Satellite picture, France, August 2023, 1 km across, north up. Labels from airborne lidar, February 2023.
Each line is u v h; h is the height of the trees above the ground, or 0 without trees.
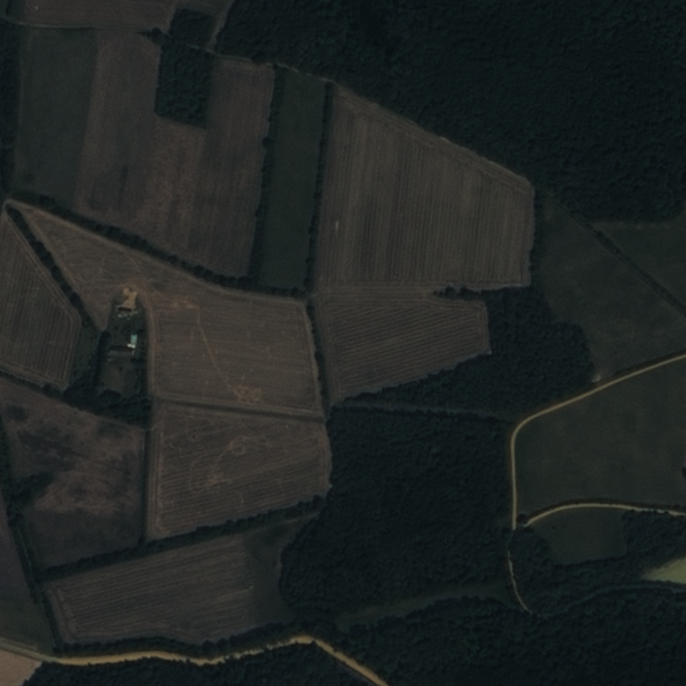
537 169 21
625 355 0
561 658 15
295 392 0
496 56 23
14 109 15
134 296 0
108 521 0
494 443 24
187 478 0
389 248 0
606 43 23
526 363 15
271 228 0
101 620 0
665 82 26
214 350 0
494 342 11
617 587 13
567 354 18
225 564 0
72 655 16
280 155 0
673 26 22
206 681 24
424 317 0
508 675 14
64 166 0
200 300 0
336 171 0
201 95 11
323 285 0
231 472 0
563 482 0
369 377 0
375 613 0
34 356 0
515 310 21
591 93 18
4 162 13
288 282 0
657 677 17
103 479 0
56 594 0
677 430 0
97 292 0
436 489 19
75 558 0
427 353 0
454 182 0
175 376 0
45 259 16
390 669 21
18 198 0
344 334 0
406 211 0
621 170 25
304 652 13
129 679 13
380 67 21
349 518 19
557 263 0
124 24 0
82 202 0
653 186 22
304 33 19
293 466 0
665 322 0
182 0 0
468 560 23
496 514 22
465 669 21
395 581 22
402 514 16
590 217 16
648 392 0
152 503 0
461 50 25
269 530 0
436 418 18
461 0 19
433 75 22
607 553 0
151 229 0
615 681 13
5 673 0
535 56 24
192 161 0
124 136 0
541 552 8
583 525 0
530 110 21
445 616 24
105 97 0
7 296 0
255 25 13
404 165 0
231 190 0
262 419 0
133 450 0
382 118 0
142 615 0
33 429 0
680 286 0
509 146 18
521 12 26
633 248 0
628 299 0
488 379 18
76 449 0
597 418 0
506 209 0
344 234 0
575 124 22
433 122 17
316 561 17
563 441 0
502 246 0
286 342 0
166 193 0
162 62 7
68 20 0
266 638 24
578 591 9
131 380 0
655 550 12
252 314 0
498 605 11
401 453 19
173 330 0
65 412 0
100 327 0
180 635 0
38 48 0
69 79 0
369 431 18
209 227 0
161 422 0
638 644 23
